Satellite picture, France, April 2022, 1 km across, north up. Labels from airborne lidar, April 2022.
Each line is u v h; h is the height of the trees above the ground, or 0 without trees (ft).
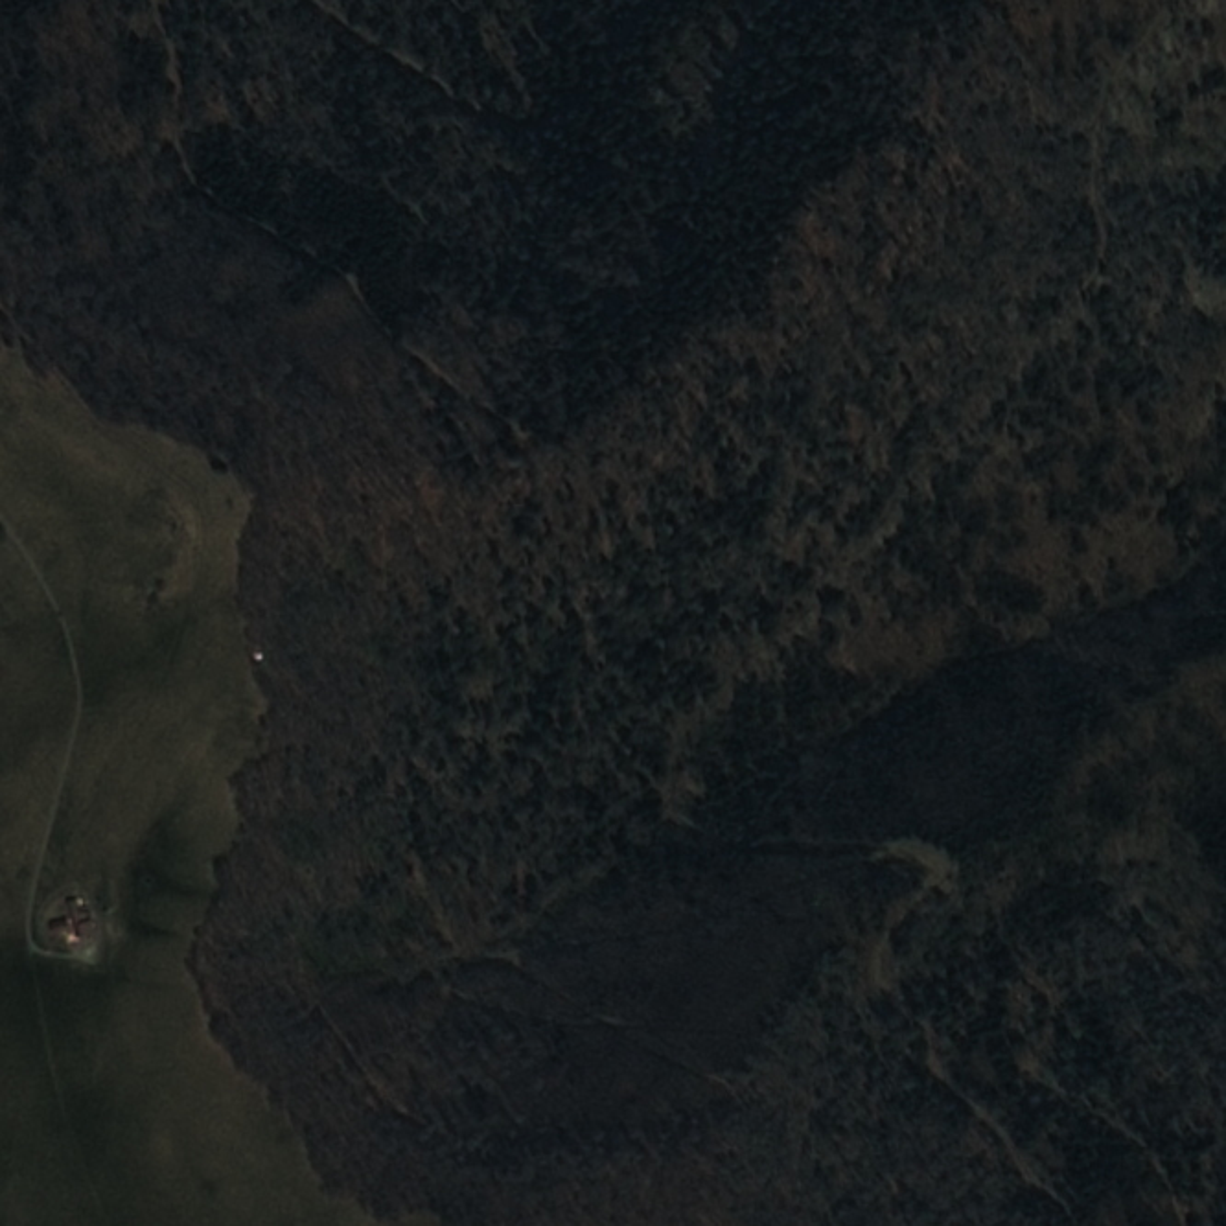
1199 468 58
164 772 0
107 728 0
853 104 75
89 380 52
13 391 0
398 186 87
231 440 45
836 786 62
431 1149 91
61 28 53
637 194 37
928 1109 86
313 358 60
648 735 37
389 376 103
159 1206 0
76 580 0
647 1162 87
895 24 90
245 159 43
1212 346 60
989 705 63
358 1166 74
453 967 26
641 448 48
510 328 101
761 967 57
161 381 63
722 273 87
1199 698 65
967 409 62
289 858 105
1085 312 55
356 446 101
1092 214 53
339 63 49
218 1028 49
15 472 0
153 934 0
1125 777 68
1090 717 51
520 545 72
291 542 79
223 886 53
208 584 0
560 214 94
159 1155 0
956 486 61
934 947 87
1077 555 58
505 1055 95
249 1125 0
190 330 50
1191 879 63
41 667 0
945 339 118
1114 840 66
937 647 70
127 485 0
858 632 68
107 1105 0
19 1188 0
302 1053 83
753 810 75
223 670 0
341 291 62
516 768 90
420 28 91
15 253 79
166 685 0
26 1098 0
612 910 50
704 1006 62
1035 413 60
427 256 45
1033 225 107
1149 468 48
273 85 104
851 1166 103
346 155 81
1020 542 67
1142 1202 54
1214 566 49
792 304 107
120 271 50
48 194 84
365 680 108
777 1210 103
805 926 51
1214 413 46
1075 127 108
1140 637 63
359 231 52
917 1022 71
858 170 82
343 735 97
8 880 0
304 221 52
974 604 56
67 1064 0
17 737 0
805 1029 89
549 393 77
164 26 34
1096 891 58
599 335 90
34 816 0
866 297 108
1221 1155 46
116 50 62
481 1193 68
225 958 80
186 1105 0
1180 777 61
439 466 98
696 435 81
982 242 114
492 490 88
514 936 44
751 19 69
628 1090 44
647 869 64
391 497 98
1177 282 88
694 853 58
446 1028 32
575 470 86
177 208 58
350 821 93
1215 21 23
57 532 0
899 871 21
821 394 126
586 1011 43
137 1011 0
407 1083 32
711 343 74
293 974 99
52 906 0
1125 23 60
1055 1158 31
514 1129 80
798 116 104
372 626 79
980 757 77
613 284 34
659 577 107
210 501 0
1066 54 56
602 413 64
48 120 77
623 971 48
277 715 53
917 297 103
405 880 109
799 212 78
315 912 123
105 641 0
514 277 84
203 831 0
